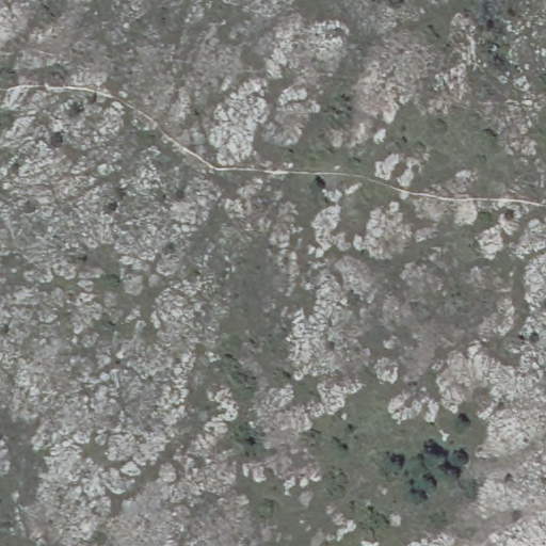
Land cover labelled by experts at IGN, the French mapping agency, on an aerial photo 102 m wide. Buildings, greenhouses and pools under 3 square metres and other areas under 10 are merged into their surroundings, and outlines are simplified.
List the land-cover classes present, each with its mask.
<instances>
[{"label":"bare soil","instance_id":"1","mask_svg":"<svg viewBox=\"0 0 546 546\"><path fill-rule=\"evenodd\" d=\"M92 0H0V62L15 70L60 64L70 75V81L64 85L36 81L28 83L26 79H19V83L9 90L6 98H0V407L9 410L13 420L41 422L36 435L32 437V448H43L51 452L47 456L49 471L41 473L36 501L30 505L15 508V525L9 527L13 546H267L271 531L277 529V525H264L260 518L250 516L247 497L237 495V491L232 488L235 465H226V459L232 454V450L228 448L218 454L211 448L226 433V424L237 418V407L230 390L222 388L218 392H207V401L200 410L190 407L186 403V397L190 384L203 382L205 367L220 358L215 354V346L220 341L230 339L228 333L218 331V326L228 314L232 290H226L224 296H218L215 275L209 269L211 254L224 256V260L228 262L226 271L235 273L237 258H243V247L250 243L258 252L267 254V258L277 260V269L282 273L296 277V254H290V264L284 262V256L288 250L290 235L303 232V228L294 224V218L290 215H296L294 203H290L284 196L282 190L271 188V181L275 177H284L290 173L316 179V183L324 190V181H328L331 177H341V164L301 168L292 162H284V149L288 145L299 143L303 126L307 124L309 115L320 111L318 100L324 94V87L320 79L335 75L339 58L346 53L341 43L350 38V28L341 21H318L314 26H303L299 6L292 0H224L226 4H235L245 13H254L252 19L230 30V38L243 34V41L239 47H224L218 41L215 23H209L205 36L209 38V43L200 45L196 66L186 77L183 87L179 90V102L175 105L173 100H168V96L173 94L177 68H171L166 75H162L160 60L173 62L175 47L164 43L160 47H130L124 53V60H130L132 51L137 49L141 53L139 64L132 66L134 81L126 83L119 92L113 94L105 87L107 75L113 70V62L107 55L105 45L92 41V34L87 30L75 23L81 13L90 11ZM211 11V0H192V9L186 15V23H196L198 19H203V15ZM378 2L384 11L378 30L382 34L384 45L369 47L365 77L356 83L354 122L358 126L335 130L333 147H356L363 141H384L386 132L392 126L390 122L395 119L397 109L405 102H412L420 115H446L450 107L459 105L467 92V66H488L486 58L476 49V23L463 17L461 13L452 17V26L448 32L452 49L446 53L429 51L427 34L420 30L397 32L395 9L401 6L403 0H371ZM531 28V21L508 19L505 30L510 34H520L523 30ZM525 43V36H520L512 41L505 58L495 55L491 64L497 70H501L499 83H516L523 90V100H505L508 111L503 117L495 115L493 100H486L482 113L484 122L491 126L486 128V134L499 139V145L508 156L516 151L535 154V141H531L527 130L533 128V124L540 117V111L546 107V96L533 94L527 77L503 73L508 62H518L516 51L518 45ZM399 164V156L395 154L388 156L384 162H375L378 177L390 179L392 168ZM473 179H478V173L459 171L448 183H433L427 192L401 190L399 194L401 198H405V203L401 207L397 203H390V207L382 211L373 209L367 222V235L354 237L356 250H367L373 258H392L395 254H401L405 250L407 239H429L431 235L427 228L433 220L452 218L456 220V224H473L478 211L508 207L505 218H499V222L486 228L480 237V250L484 252V256L495 258L503 243L501 232H514L523 213L535 207L546 209V200L505 196L471 198L467 194V188ZM358 190V183H352L339 190H324V196L331 198V207L322 209L314 218L318 247L309 245V254L314 256H322L328 247L346 250V235H331V230L339 222V198L354 194ZM516 256L527 267L525 301L529 303V318L525 320V343L510 348L512 354L520 356V365H501L495 358L484 356L480 350V346L486 343L495 333L505 335L514 326V305L510 299H503L495 314L486 316L484 322L478 326L480 335L469 348V358H463L459 352H454L448 358V369L441 375H437V388L441 392V399L433 401L431 397H422L407 407V395L401 392L388 403V412L395 420H407L418 416L433 422L437 418V412L446 407L448 412L459 414L463 424H469V416L459 412L461 403L469 401L480 410L478 416L488 427L482 450L469 454L461 473L465 478L476 480L482 486L478 499L463 505L454 520L448 523L439 535L429 531L424 537H412L407 546H546V218L531 220L516 247ZM337 269L343 273V284H337L335 277L326 273H320V290L316 294L311 316H305L303 309H282V318H290L294 322L292 333L286 337V341L292 346L290 360L294 363V375L290 371H284L288 384L284 388H273L267 382L264 371L254 358H239V365L245 371L254 373L258 382V388L252 399L256 418L250 420V429L264 433V448H277L275 456L260 459L258 463H245L243 476L252 478L254 482H262L264 469H273L275 478L284 482V495H290L292 486H307L309 482L320 480V456L311 454L307 446H299L301 433L311 429V422L316 418L324 414H335L339 407H343L348 395H354L363 388L360 382H346L343 386L331 388L326 384H318L314 375L339 371L352 360H360L365 367L369 365L371 350L365 348L358 339L369 331V314L365 311V303H373L378 288L369 282V271L360 260L343 258L337 262ZM399 371L395 360L380 358L375 365V375L382 382H397ZM11 461L6 441L0 439V476L9 473ZM326 514L337 525V531L316 533L311 540L314 546H339L348 533L354 531L356 525L343 518L335 510V505H326Z\"/></svg>","mask_w":546,"mask_h":546},{"label":"herbaceous vegetation","instance_id":"2","mask_svg":"<svg viewBox=\"0 0 546 546\"><path fill-rule=\"evenodd\" d=\"M192 9V0H92L90 11L81 13L75 23L87 30L92 34V41L105 45L107 55L113 62V70L107 75L105 87L113 94L119 92L126 83L134 81L132 66L139 64L141 53L137 49L132 51L130 60H124V53L130 47H160L164 43L175 47L173 62L160 60L162 75H166L171 68H177L173 94L168 96V100H173L175 105L179 102V90L183 87L186 77L196 66L200 45L209 43V38L205 36L209 23H215L218 41L224 47H239L243 41V34L230 38V30L252 19L254 13H245L235 4H226L224 0H211V11L203 15V19H198L196 23H186V15ZM299 6L303 26H314L318 21H341L350 28V38L341 43L346 53L339 58L335 75L320 79L324 87V94L318 100L320 111L309 115L307 124L303 126L299 143L288 145L284 149V162H292L301 168L341 164V177H331L328 181H324V190H339L352 183H358V190L354 194L339 198V222L331 230V235H346V250L328 247L322 256H314L309 254V245L318 247L314 218L322 209L331 207V198L324 196V190L316 183V179L290 173L284 177H275L271 181V188L282 190L284 196L290 203H294L296 215H290L294 218V224L303 228V232L290 235L288 250L284 256V262L290 264V254H296V277L282 273L277 269V260L267 258V254L258 252L250 243L243 247V258H237L235 273L226 271L228 262L224 260V256L211 254L209 269L215 275L218 296H224L226 290H232L228 314L218 326V331L228 333L230 339L220 341L215 346V354L220 358L205 367L203 382L190 384L186 397V403L190 407L200 410L207 401V392H218L222 388L230 390L237 407V418L226 424V433L211 448L218 454L228 448L232 450V454L226 459V465H235L232 488L237 491V495L247 497L250 516L260 518L264 525H277V529L271 531L267 546H314L311 540L316 533L337 531V525L326 514V505H335V510L343 518L356 525L354 531L348 533L339 546H407L412 537H424L429 531L439 535L448 523L454 520L463 505L478 499L482 486L476 480L465 478L461 473L454 476V482L448 491L435 486L427 493V499L414 503L410 493L401 497L397 493V486H378L373 471L380 469V465L386 459H390V454H418L427 441H437L446 450H465L469 454L482 450L488 427L478 416L480 410L469 401L461 403L459 412L469 416V424H463L459 414L448 412L446 407L437 412V418L433 422L418 416L407 420H395L388 412V403L401 392L407 395V407L422 397H431L433 401L441 399V392L437 388V375H441L448 369V358L454 352H459L463 358H469V348L480 335L478 326L484 322L486 316L495 314L503 299H510L514 305V326L505 335L495 333L486 343L480 346V350L484 356L495 358L501 365H520V356L512 354L510 348L525 343V320L529 318V303L525 301L527 267L516 256V247L531 220L546 218V209L535 207L523 213L514 232H501L503 243L495 258L484 256V252L480 250V237L486 228L499 222V218H505L508 207L478 211L473 224H456V220L452 218L433 220L427 228L431 235L429 239H407L405 250L401 254H395L392 258H373L367 250H356L354 237L367 235V222L373 209L382 211L390 207V203H397L401 207L405 203V198H401L399 194L401 190L427 192L433 183H448L459 171L478 173V179H473L467 188V194L471 198L505 196L546 200V107L540 111V117L533 124V128L527 130L531 141H535V154L516 151L508 156L499 145V139L486 134V128L491 126L484 122L482 113L486 100H493L495 115L503 117L508 111L505 100H523V90L516 83H499L501 70H497L491 64L495 55L505 58L512 41L520 36H525V43L518 45L516 51L518 62H508L503 73L527 77L533 94L546 96V0H403L401 6L395 9L397 32L420 30L427 34L429 51L446 53L452 49L448 32L452 26V17L461 13L463 17L476 23V49L486 58L488 66H467V92L459 105L450 107L446 115H420L412 102H405L397 109L395 119L390 122L392 126L386 132L384 141H363L356 147H333L335 130L358 126L354 122L356 83L365 77L369 47L384 45L382 34L378 30L384 11L378 2L371 0H292ZM508 19L531 21V28L523 30L520 34H510L505 30ZM395 154L399 156V164L392 168L390 179L378 177L375 162H384L388 156ZM343 258L360 260L369 271V282L378 288L373 303H365V311L369 314V331L358 339L365 348L371 350L369 365L365 367L360 360H352L339 371L314 375L318 384H326L331 388L343 386L346 382H360L363 388L354 395H348L343 407H339L335 414H324L316 418L311 422V429L301 433L299 446H307L311 454L320 456V480L309 482L307 486H292L290 495H284V482L275 478L273 469H264L262 482H254L252 478L243 476L245 463H258L260 459L275 456L277 448H264V433L250 429V420L256 418L252 399L258 388V382L254 373L245 371L239 365V358H254L264 371L267 382L273 388H284L288 384L284 371H290L294 375V363L290 360L292 346L286 341V337L292 333L294 322L290 318H282V309H303L305 316H311L316 294L320 290V273H326L335 277L337 284H343V273L337 269V262ZM380 358L395 360L399 371L397 382H382L375 375V365ZM19 79H26L28 83L36 81L64 85L70 81V75L60 64L15 70L0 62V98H6L9 90L19 83ZM41 422L13 420L9 410L0 407V439L6 441L11 461L9 473L0 476V546H13L9 527L15 525V508L30 505L36 501L41 473L49 471L47 456L51 452L43 448H32V437L36 435Z\"/></svg>","mask_w":546,"mask_h":546},{"label":"deciduous trees","instance_id":"3","mask_svg":"<svg viewBox=\"0 0 546 546\"><path fill-rule=\"evenodd\" d=\"M469 454L465 450H446L437 441H427L418 454H390V459H386L380 465V469L373 471L378 486H397V493L401 497L410 493L414 503L427 499V493L435 486L448 491L454 482V476L461 473Z\"/></svg>","mask_w":546,"mask_h":546}]
</instances>
